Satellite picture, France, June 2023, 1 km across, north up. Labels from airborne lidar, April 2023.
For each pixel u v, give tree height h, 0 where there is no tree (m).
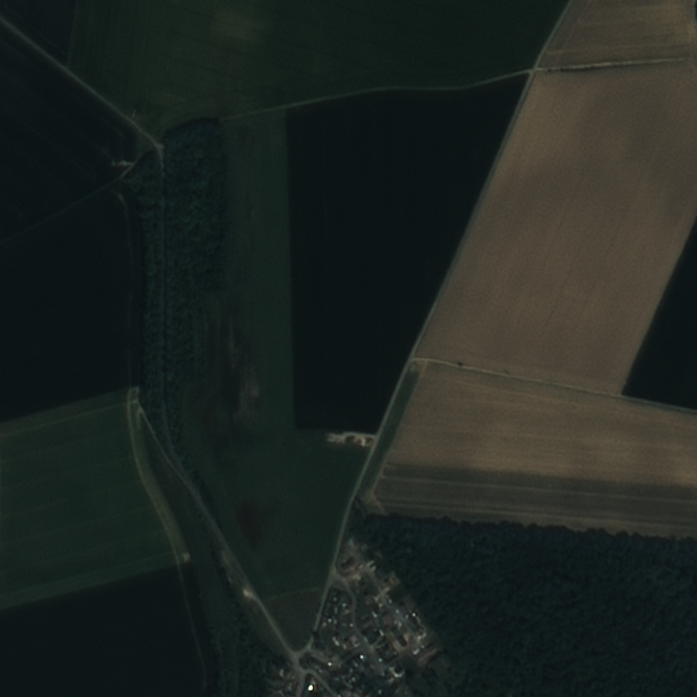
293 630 0
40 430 0
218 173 17
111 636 0
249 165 0
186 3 0
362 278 0
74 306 0
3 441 0
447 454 0
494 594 25
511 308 0
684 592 24
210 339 0
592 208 0
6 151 0
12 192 0
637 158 0
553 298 0
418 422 0
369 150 0
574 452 0
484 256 0
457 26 0
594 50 0
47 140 0
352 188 0
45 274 0
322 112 0
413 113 0
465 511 0
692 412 0
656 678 21
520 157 0
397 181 0
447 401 0
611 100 0
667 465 0
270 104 0
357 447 0
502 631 26
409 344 0
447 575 18
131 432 0
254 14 0
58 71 0
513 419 0
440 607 15
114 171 0
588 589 25
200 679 0
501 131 0
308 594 0
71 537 0
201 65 0
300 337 0
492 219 0
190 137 18
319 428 0
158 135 0
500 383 0
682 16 0
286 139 0
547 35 0
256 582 0
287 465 0
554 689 26
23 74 0
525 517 0
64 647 0
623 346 0
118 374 0
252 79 0
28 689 0
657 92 0
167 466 0
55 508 0
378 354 0
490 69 0
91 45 0
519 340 0
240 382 0
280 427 0
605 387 0
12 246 0
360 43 0
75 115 0
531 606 25
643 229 0
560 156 0
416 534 20
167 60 0
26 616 0
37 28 0
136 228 0
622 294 0
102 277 0
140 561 0
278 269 0
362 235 0
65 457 0
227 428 0
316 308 0
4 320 0
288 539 0
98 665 0
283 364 0
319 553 0
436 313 0
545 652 24
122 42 0
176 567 0
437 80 0
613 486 0
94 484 0
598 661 21
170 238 14
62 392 0
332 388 0
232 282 0
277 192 0
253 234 0
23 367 0
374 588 0
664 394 0
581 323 0
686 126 0
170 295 14
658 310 0
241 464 0
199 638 0
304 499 0
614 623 24
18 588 0
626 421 0
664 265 0
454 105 0
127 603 0
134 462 0
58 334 0
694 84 0
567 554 25
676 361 0
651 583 17
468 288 0
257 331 0
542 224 0
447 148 0
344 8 0
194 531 0
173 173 14
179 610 0
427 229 0
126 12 0
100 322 0
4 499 0
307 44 0
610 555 24
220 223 13
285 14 0
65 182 0
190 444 0
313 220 0
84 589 0
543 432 0
